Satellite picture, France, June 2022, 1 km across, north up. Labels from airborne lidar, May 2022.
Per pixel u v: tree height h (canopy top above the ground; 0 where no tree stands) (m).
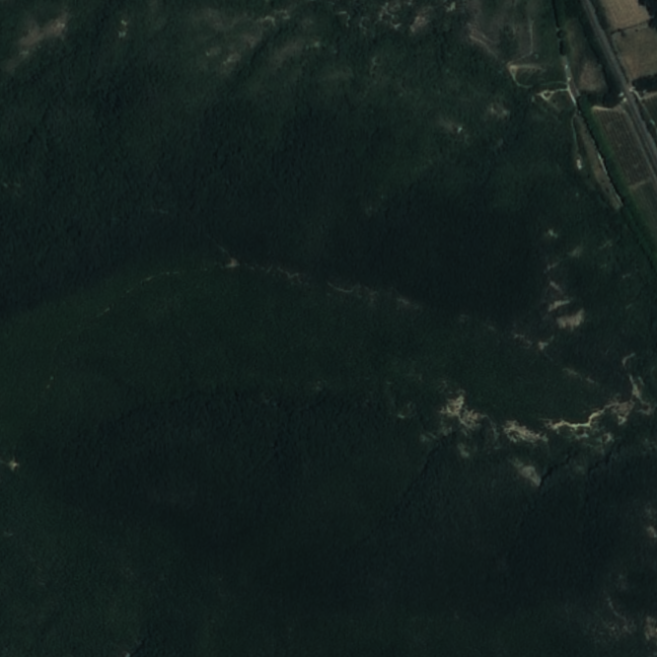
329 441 10
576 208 6
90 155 7
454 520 8
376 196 7
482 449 6
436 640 6
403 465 7
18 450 10
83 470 12
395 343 9
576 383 7
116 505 7
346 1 11
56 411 9
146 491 9
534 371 8
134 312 8
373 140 8
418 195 8
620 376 6
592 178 6
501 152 7
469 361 7
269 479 10
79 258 8
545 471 9
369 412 11
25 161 11
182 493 6
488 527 8
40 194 11
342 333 6
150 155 6
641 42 0
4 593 7
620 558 8
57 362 11
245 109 12
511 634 7
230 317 9
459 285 9
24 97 7
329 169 9
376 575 7
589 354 8
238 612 7
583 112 18
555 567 8
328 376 8
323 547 9
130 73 8
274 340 7
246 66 10
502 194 7
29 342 9
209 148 10
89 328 7
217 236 9
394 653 7
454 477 8
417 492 11
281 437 17
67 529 7
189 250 7
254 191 10
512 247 9
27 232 16
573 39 0
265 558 7
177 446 12
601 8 16
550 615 6
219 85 6
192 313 9
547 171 7
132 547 6
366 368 8
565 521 8
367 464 9
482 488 11
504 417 7
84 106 8
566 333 6
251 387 13
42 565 7
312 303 6
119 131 8
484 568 6
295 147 11
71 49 6
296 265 8
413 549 6
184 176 14
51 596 6
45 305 7
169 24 7
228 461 13
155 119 9
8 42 6
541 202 9
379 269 9
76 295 6
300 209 7
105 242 11
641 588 9
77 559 6
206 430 15
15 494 6
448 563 6
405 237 10
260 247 8
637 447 7
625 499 7
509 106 10
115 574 6
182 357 8
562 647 10
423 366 6
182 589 7
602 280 6
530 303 8
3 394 7
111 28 8
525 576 8
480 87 6
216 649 7
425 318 6
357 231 12
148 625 10
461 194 7
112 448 14
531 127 8
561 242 6
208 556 7
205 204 9
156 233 10
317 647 6
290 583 7
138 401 13
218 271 7
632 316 8
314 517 8
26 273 14
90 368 11
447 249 9
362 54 9
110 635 9
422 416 9
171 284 8
